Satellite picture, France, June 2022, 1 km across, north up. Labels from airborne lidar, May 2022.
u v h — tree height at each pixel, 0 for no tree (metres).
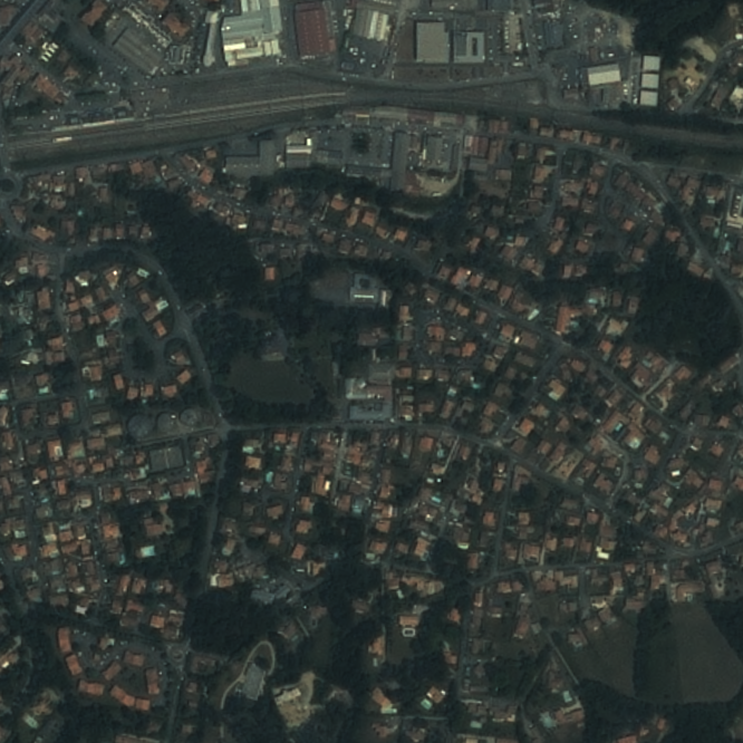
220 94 0
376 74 0
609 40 0
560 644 7
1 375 20
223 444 11
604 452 0
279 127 0
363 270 7
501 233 11
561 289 15
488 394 9
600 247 0
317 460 11
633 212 0
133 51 0
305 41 0
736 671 0
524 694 9
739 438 0
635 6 9
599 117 9
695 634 0
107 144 0
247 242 16
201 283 25
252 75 0
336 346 17
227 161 0
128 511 14
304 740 24
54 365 6
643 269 9
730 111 8
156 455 0
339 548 8
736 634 24
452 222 23
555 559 8
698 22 16
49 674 23
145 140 0
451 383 6
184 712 11
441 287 17
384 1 0
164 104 0
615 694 21
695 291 8
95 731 24
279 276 0
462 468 5
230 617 24
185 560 15
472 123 0
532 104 0
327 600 24
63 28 13
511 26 0
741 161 0
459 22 0
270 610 19
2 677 6
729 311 17
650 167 0
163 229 21
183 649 0
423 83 0
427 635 20
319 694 10
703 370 0
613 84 0
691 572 9
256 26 0
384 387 0
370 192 28
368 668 0
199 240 26
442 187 0
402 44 0
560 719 0
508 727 0
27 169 0
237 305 13
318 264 15
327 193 15
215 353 22
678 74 0
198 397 12
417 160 0
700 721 26
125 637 9
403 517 6
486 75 0
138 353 13
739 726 0
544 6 0
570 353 0
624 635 0
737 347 11
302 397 0
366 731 0
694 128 18
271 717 28
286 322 27
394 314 16
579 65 0
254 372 0
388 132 0
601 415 15
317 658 0
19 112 14
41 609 23
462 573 18
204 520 14
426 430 0
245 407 24
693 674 0
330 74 0
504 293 0
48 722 10
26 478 14
